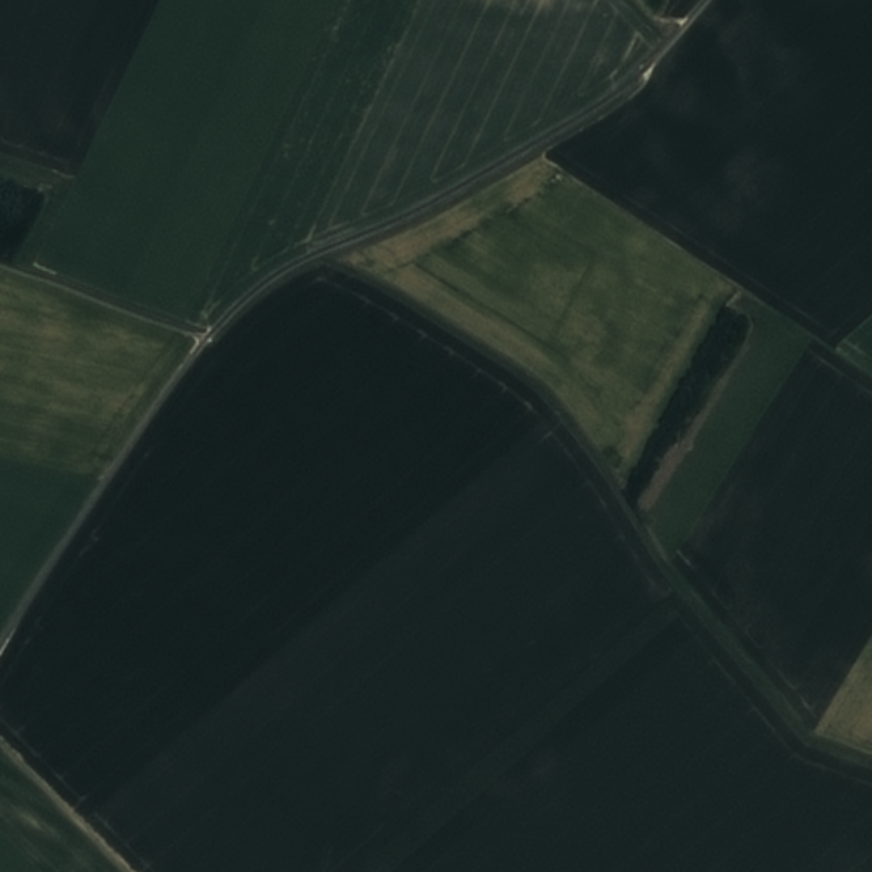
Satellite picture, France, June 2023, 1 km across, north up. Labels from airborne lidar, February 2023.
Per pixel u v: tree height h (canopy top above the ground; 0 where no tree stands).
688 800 0
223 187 0
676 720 0
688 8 0
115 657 0
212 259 0
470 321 0
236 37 0
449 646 0
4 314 0
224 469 0
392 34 0
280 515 0
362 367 0
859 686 0
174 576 0
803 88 0
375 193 0
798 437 0
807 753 0
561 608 0
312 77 0
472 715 0
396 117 0
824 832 0
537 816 0
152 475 0
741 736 0
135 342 0
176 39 0
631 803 0
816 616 0
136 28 0
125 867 0
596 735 0
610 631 0
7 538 0
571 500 0
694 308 0
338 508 0
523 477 0
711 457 0
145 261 0
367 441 0
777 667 0
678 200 0
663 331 0
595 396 0
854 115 0
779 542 0
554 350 0
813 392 0
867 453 0
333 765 0
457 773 0
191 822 0
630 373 0
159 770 0
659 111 0
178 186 0
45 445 0
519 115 0
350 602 0
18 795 0
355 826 0
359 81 0
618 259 0
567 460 0
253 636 0
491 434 0
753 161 0
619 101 0
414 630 0
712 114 0
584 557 0
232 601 0
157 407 0
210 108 0
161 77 0
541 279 0
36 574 0
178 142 0
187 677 0
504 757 0
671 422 11
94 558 0
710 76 0
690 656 0
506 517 0
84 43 0
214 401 0
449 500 0
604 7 0
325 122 0
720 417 0
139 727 0
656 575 0
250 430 0
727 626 0
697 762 0
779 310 0
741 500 0
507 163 0
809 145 0
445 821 0
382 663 0
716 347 10
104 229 0
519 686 0
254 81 0
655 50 0
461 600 0
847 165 0
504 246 0
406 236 0
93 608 0
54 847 0
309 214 0
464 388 0
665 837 0
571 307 0
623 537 0
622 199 0
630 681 0
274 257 0
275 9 0
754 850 0
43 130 0
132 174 0
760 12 0
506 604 0
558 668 0
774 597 0
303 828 0
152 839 0
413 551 0
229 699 0
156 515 0
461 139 0
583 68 0
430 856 0
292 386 0
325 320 0
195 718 0
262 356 0
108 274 0
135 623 0
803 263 0
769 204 0
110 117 0
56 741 0
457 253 0
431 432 0
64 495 0
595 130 0
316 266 0
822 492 0
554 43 0
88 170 0
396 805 0
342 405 0
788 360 0
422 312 0
